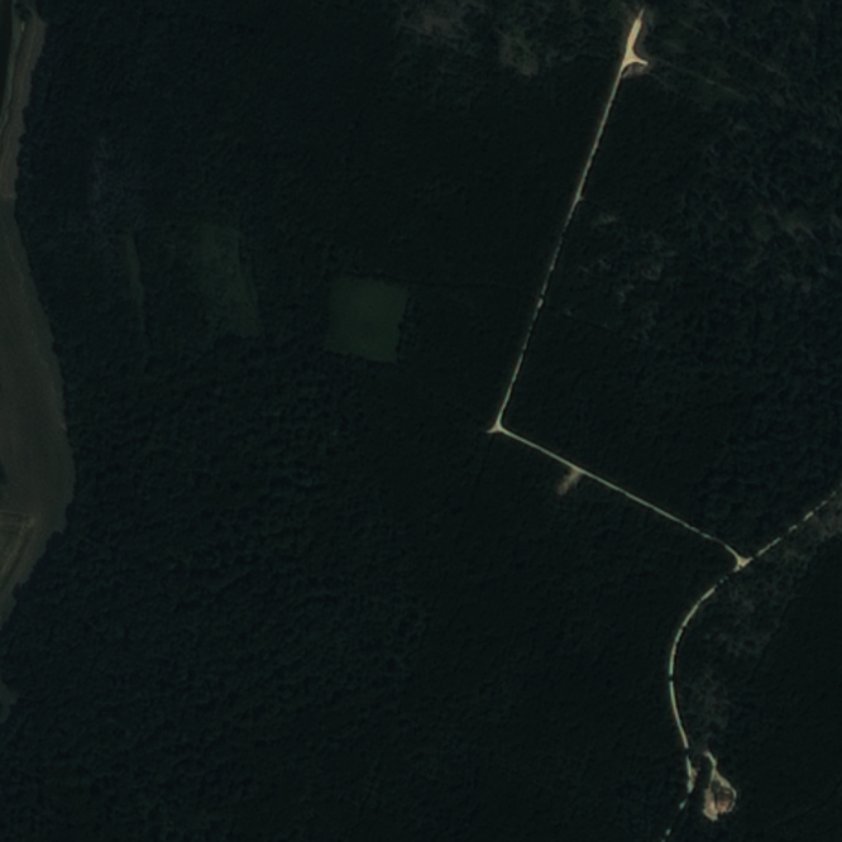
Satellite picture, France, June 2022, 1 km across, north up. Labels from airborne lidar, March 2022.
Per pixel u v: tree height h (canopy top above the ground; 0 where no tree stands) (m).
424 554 7
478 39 8
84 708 20
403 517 10
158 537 20
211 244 0
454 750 7
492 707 9
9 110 0
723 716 0
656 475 11
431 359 7
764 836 8
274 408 18
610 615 6
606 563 6
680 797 17
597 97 10
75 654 22
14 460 0
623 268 21
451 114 7
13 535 0
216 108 24
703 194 0
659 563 5
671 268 9
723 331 25
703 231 18
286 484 23
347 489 7
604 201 7
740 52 0
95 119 24
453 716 9
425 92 13
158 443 15
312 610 18
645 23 0
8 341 0
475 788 9
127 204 22
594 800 9
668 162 10
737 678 8
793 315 26
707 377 21
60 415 0
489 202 10
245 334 0
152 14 19
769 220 0
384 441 7
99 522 19
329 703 18
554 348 9
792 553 0
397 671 21
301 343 22
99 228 21
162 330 21
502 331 16
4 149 0
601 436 9
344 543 6
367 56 11
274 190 21
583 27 0
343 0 13
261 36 15
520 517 6
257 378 23
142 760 21
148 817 12
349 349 0
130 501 16
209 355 21
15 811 15
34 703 20
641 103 8
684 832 20
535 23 0
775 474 21
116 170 22
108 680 20
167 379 14
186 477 19
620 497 8
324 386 17
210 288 0
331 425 15
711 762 13
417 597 8
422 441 10
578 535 8
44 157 23
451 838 7
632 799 20
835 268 26
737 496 22
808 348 26
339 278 7
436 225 11
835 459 23
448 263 10
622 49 0
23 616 20
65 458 0
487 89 8
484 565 11
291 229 9
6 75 0
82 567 23
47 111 23
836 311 26
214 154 23
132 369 22
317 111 15
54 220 19
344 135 12
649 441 11
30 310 0
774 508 21
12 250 0
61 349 21
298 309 20
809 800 6
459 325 12
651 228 10
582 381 6
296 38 14
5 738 15
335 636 22
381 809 6
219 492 8
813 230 0
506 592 8
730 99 0
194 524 11
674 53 0
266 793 6
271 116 15
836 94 0
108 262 18
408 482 10
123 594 22
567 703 6
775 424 21
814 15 0
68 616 26
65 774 27
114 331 23
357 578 10
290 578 21
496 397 8
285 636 21
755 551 13
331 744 19
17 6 6
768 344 26
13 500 0
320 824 7
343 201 9
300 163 19
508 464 9
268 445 22
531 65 0
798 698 8
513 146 11
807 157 25
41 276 18
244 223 11
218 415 12
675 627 6
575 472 0
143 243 18
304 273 13
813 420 25
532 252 9
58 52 22
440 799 8
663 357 22
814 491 25
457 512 19
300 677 7
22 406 0
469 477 10
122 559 25
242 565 23
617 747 6
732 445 17
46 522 0
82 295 19
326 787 7
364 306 0
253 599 17
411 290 7
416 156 10
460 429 6
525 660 6
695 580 8
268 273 15
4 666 18
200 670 20
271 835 8
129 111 19
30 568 0
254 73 21
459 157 10
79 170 22
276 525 25
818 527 0
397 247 10
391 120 8
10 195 0
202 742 15
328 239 11
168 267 12
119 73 12
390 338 0
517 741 6
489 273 8
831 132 26
